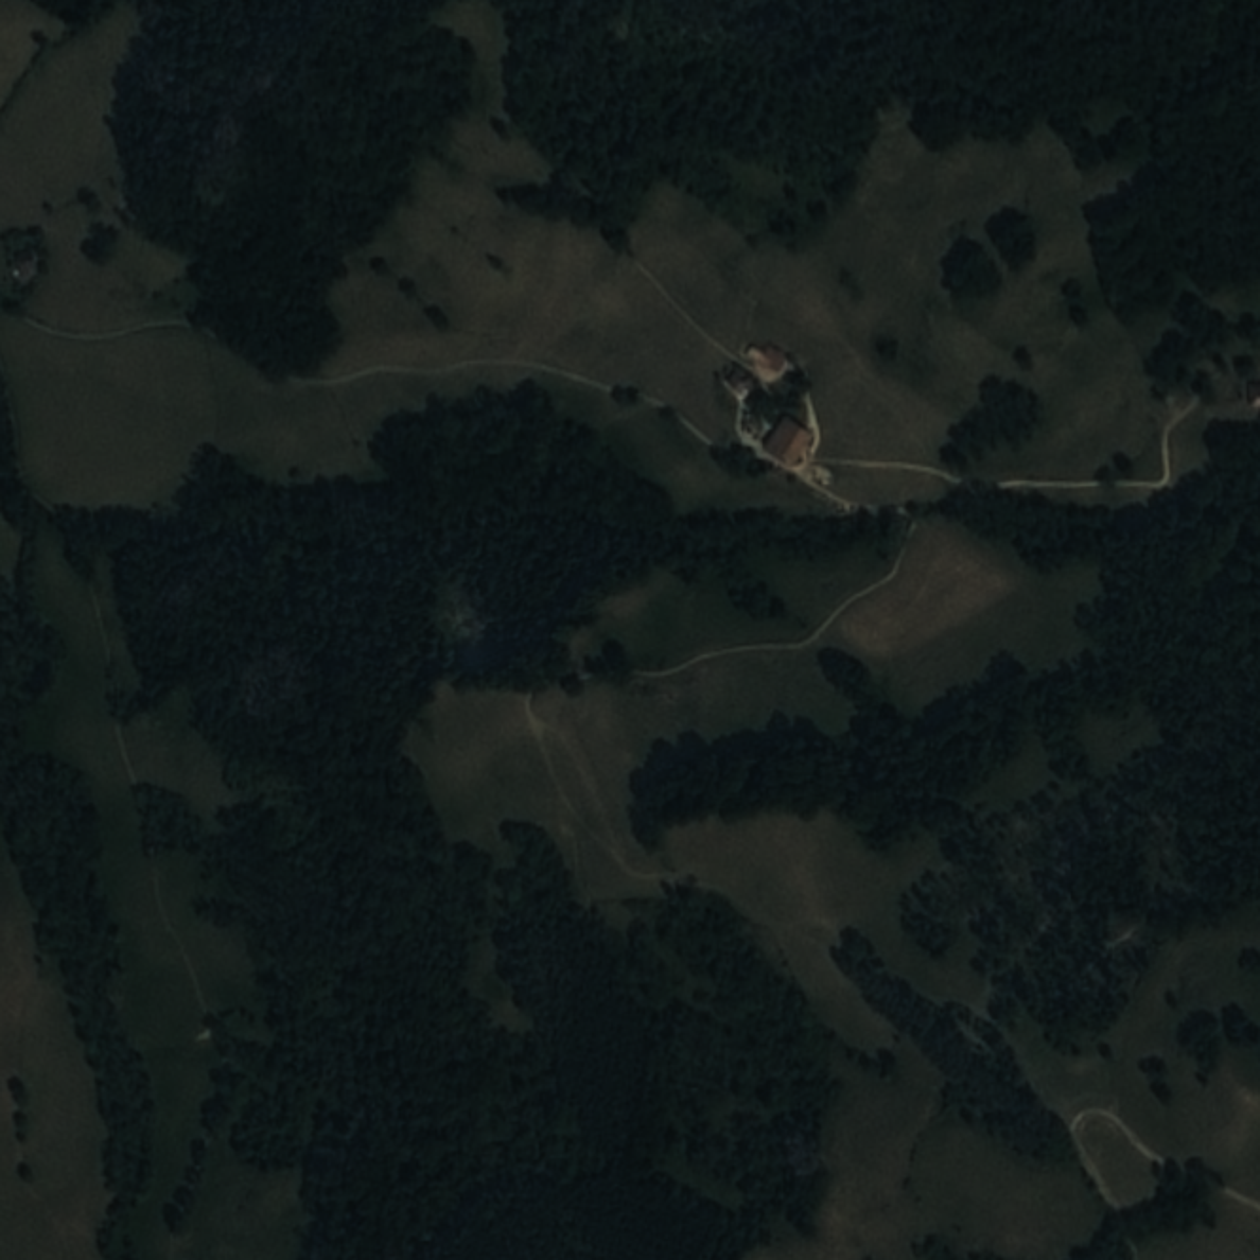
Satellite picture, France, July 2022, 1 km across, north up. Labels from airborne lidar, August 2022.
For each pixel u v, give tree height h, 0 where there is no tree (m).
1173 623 21
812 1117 8
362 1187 21
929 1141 0
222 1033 17
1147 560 26
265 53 26
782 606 18
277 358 22
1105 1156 0
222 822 12
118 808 0
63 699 0
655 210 0
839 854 0
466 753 0
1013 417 20
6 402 8
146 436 0
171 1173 0
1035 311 0
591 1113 18
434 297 0
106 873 0
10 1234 0
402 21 17
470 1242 23
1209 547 23
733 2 25
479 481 22
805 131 17
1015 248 22
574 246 0
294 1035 21
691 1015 21
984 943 25
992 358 0
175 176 26
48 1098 0
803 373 12
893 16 31
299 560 28
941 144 18
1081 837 22
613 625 0
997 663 0
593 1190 19
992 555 0
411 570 28
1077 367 0
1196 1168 15
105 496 0
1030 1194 0
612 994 19
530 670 21
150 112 31
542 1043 18
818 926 0
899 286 0
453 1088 29
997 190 0
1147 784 22
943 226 0
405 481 28
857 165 7
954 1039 20
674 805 29
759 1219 10
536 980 19
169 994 0
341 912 24
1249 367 14
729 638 0
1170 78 13
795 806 17
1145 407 0
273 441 0
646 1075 15
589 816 0
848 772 34
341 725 23
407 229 0
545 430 21
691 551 27
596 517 14
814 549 23
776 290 0
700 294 0
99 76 0
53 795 30
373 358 0
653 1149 19
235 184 21
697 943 5
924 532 0
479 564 12
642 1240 18
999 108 30
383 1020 14
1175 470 0
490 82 0
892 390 0
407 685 26
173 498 0
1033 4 20
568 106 21
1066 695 17
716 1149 22
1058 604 0
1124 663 19
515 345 0
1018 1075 20
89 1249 0
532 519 19
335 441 0
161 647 20
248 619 28
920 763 28
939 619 0
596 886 0
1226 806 26
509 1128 7
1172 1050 0
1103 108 0
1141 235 31
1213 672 27
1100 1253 18
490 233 0
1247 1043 10
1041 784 0
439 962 14
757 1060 14
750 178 0
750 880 0
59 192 0
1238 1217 0
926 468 0
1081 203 0
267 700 26
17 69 0
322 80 24
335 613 25
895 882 0
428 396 0
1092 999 23
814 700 0
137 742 0
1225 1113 0
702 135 15
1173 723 18
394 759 18
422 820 29
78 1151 0
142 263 0
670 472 0
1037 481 0
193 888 0
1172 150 22
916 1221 0
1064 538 20
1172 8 32
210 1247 0
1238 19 18
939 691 0
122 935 8
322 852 10
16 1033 0
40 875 21
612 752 0
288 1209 0
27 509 24
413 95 20
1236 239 22
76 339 0
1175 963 0
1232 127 21
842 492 0
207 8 25
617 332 0
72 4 7
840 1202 0
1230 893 18
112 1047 24
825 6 29
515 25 22
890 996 19
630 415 0
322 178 23
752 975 21
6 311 10
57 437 0
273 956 28
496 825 0
